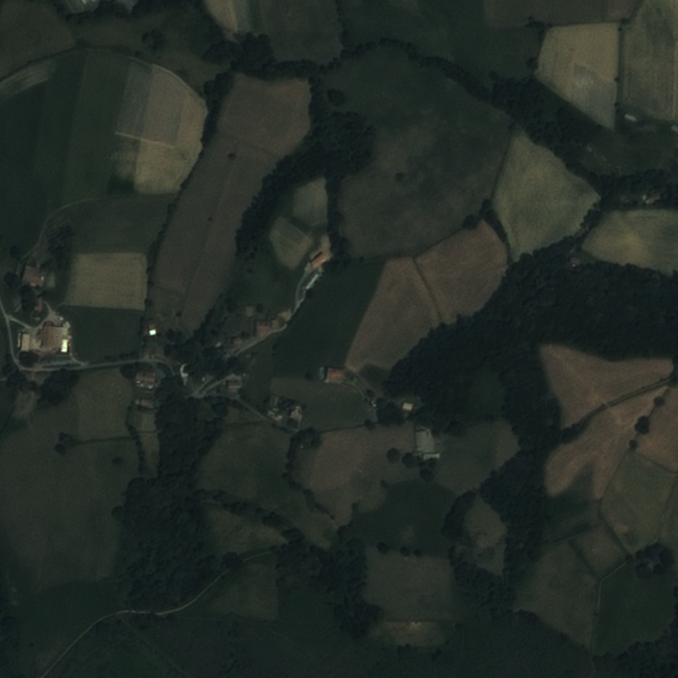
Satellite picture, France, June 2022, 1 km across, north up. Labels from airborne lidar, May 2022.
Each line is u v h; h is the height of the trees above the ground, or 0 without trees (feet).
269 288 0
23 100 0
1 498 0
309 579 38
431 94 0
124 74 0
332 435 0
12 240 0
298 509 0
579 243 42
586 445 0
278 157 0
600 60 0
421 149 0
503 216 0
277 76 68
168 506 59
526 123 45
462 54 0
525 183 0
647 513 0
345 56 47
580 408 0
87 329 0
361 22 0
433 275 0
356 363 0
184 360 69
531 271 35
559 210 0
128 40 0
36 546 0
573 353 0
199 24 0
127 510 27
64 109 0
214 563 53
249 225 75
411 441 0
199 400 24
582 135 38
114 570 0
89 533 0
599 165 0
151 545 46
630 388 0
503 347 53
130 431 27
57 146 0
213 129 68
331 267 56
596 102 0
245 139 0
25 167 0
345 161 52
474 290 0
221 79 57
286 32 0
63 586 0
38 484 0
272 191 63
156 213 0
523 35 0
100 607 0
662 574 43
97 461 0
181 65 0
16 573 0
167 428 43
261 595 0
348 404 0
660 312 93
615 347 29
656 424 0
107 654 0
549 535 0
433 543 0
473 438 0
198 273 0
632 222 0
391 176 0
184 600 28
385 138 0
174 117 0
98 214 0
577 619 0
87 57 0
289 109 0
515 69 0
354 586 32
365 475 0
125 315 0
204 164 0
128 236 0
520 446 28
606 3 0
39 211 0
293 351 0
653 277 81
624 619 0
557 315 53
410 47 41
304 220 0
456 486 0
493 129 0
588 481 0
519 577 59
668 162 0
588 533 0
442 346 61
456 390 77
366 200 0
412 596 0
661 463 0
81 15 31
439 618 0
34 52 0
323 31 0
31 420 0
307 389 0
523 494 61
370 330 0
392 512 0
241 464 0
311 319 0
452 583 0
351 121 65
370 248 0
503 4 0
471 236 0
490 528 0
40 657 0
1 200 0
